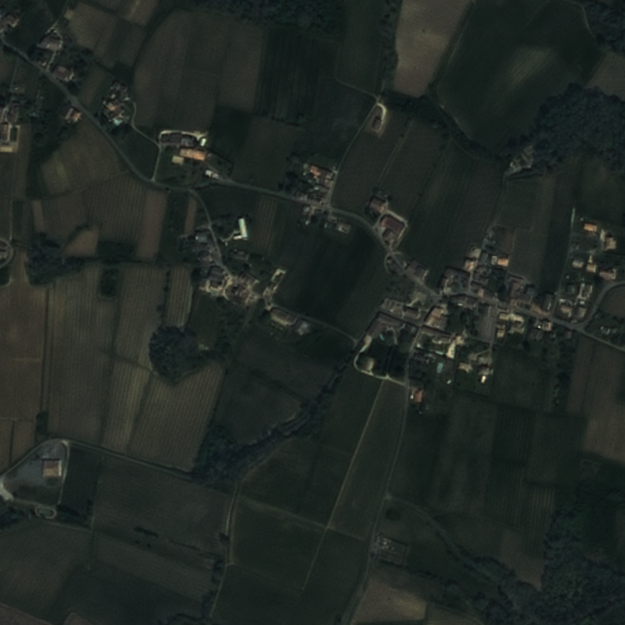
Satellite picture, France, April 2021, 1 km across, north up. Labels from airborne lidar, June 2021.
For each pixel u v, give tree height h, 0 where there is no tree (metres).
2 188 0
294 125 6
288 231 0
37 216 0
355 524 0
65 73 0
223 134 0
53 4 0
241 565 0
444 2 0
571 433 0
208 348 0
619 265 5
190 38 0
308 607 0
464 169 0
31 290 0
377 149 0
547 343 6
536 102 0
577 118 23
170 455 0
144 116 0
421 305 7
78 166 0
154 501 0
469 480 0
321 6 11
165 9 0
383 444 0
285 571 0
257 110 0
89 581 0
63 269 21
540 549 0
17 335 0
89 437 0
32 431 0
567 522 20
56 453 0
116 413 0
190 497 0
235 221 6
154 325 0
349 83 0
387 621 0
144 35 0
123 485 0
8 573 0
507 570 16
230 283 0
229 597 0
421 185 0
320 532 0
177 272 0
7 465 0
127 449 0
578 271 0
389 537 0
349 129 0
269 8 19
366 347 0
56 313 0
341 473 0
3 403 0
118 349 0
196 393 0
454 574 0
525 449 0
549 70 0
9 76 0
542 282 0
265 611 0
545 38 0
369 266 0
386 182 0
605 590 17
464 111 0
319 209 0
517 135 0
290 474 0
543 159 15
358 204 0
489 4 0
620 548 0
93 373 0
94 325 0
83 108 0
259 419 0
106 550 0
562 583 21
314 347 0
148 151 0
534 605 18
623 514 0
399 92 0
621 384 0
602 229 0
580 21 0
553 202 0
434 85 8
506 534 0
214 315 0
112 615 0
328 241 0
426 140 0
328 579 0
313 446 0
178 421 0
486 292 0
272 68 0
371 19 0
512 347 0
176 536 0
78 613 0
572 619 18
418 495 0
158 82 0
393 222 0
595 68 0
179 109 0
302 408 8
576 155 17
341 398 0
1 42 11
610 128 20
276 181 0
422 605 0
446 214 0
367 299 0
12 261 0
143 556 0
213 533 0
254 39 0
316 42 0
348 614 0
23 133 0
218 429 9
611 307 0
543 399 0
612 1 0
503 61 0
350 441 0
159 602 0
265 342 0
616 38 8
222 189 0
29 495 0
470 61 0
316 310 0
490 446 0
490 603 18
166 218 0
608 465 0
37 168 0
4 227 0
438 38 0
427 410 0
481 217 0
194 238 7
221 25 0
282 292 0
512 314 0
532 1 0
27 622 0
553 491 0
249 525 0
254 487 0
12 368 0
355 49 0
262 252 0
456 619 0
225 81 0
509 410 0
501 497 0
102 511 0
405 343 17
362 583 0
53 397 0
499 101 0
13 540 0
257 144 0
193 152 0
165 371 15
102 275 0
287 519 0
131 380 0
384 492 0
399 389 0
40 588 0
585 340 0
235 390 0
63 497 0
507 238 0
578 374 0
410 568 6
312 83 0
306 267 0
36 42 0
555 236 0
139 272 0
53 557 0
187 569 0
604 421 0
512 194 0
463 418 0
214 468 15
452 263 0
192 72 0
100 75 0
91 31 0
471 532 0
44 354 0
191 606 0
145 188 0
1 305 0
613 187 0
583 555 13
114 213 0
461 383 0
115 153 0
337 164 0
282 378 0
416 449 0
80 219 0
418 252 0
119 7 0
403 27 0
